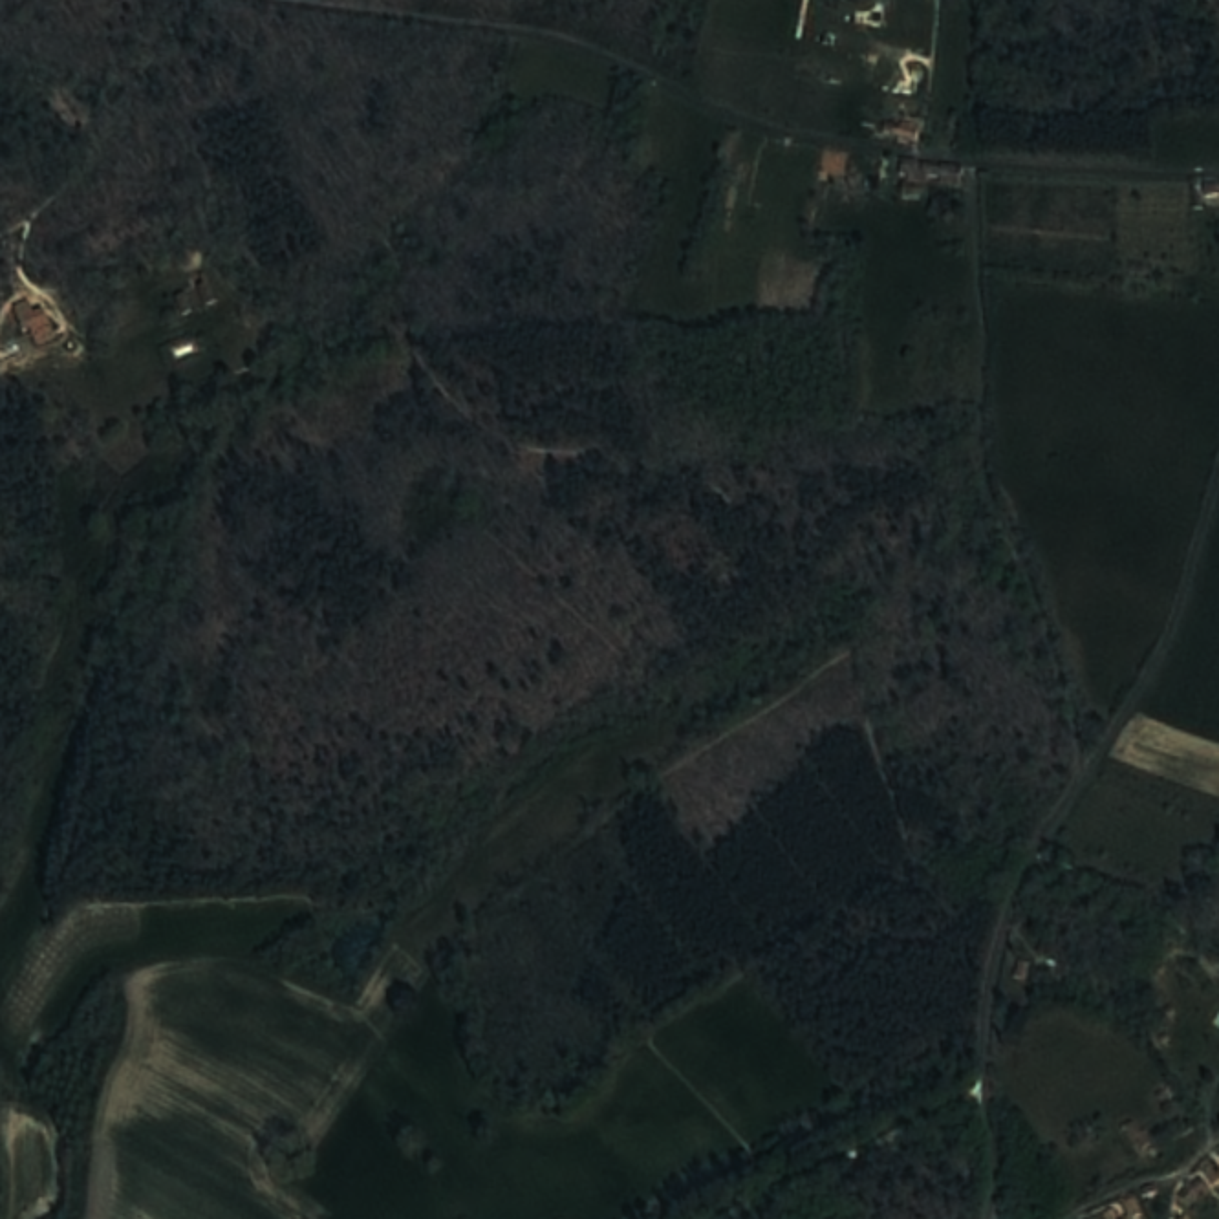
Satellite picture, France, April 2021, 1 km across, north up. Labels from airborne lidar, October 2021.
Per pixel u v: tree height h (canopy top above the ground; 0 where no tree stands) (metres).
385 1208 0
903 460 7
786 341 22
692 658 26
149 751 15
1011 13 11
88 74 8
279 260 23
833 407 21
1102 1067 0
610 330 15
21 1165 0
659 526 21
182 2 12
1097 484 0
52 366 0
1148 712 0
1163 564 0
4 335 0
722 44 0
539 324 15
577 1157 0
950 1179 30
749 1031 27
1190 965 12
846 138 6
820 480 17
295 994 0
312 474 18
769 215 0
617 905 14
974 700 21
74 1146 21
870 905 22
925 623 14
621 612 7
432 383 12
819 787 14
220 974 0
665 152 0
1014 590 16
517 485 13
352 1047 0
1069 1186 9
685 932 18
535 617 11
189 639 14
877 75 0
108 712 26
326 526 18
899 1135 23
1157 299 8
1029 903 17
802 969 26
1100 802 0
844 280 15
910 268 0
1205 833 0
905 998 24
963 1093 15
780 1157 27
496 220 16
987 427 7
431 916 0
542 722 11
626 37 7
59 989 0
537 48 0
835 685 26
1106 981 22
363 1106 0
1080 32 18
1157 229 8
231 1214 0
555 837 0
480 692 9
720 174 8
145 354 0
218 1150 0
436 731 7
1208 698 0
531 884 9
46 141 12
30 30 13
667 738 17
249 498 17
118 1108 0
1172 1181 0
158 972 0
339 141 18
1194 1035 0
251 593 10
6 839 23
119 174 17
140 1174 0
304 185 19
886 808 14
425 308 18
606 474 24
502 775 15
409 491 13
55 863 18
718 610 29
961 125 8
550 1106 21
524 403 11
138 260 14
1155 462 0
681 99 0
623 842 15
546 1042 20
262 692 12
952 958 22
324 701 11
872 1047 25
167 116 14
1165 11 13
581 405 21
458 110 16
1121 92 19
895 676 20
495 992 12
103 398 0
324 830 21
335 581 17
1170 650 0
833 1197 27
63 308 18
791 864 20
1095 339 0
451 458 16
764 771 17
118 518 8
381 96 17
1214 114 19
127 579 29
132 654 26
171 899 10
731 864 18
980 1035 8
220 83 12
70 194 8
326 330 20
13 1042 0
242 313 15
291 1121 0
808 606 22
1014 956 13
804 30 0
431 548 12
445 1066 0
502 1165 0
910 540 7
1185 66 18
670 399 19
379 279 21
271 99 14
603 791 0
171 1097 0
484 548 14
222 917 0
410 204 19
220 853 11
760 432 20
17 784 18
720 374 21
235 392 6
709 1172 17
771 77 0
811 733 12
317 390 25
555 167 11
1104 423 0
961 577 15
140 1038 0
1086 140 17
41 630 13
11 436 24
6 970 0
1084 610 0
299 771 10
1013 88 11
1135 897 18
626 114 14
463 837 18
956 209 13
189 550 24
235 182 22
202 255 24
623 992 12
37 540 20
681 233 0
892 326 0
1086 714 11
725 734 14
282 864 17
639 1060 0
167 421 15
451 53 19
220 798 11
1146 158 8
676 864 18
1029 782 8
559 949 7
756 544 27
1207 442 0
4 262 15
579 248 18
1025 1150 19
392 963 0
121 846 12
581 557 12
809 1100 19
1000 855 17
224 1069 0
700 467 8
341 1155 0
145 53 17
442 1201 0
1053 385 0
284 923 0
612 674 12
